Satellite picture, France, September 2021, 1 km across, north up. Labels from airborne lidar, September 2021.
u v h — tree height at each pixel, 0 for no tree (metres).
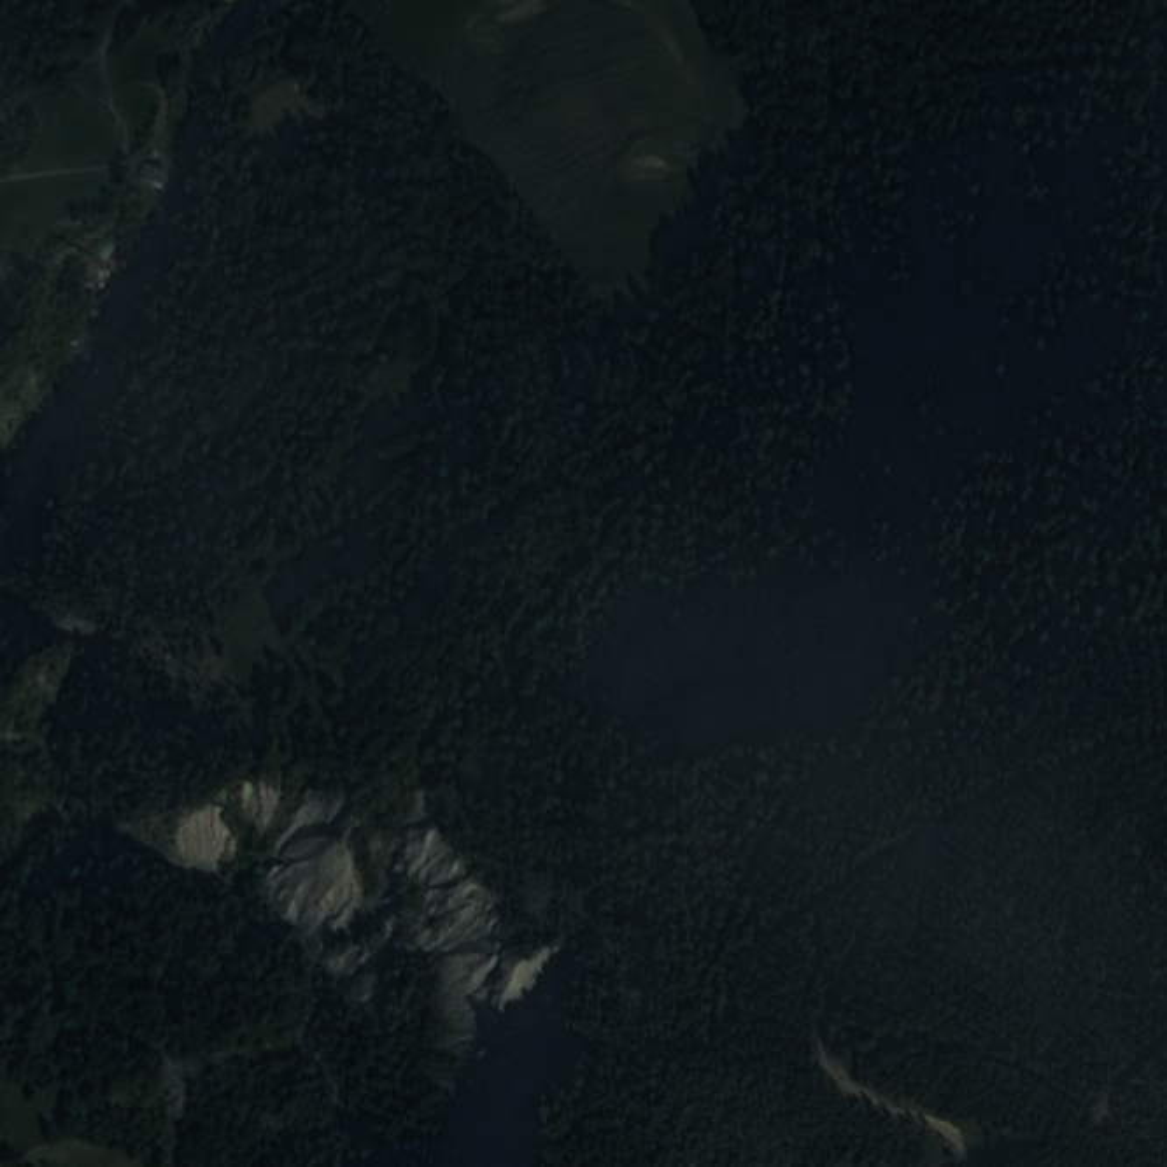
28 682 10
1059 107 22
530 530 17
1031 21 26
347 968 0
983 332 23
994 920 19
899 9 26
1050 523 18
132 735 32
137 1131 15
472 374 22
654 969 18
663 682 0
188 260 22
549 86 0
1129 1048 20
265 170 28
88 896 18
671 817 13
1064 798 17
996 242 10
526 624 12
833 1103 18
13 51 34
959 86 25
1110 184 19
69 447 14
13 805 14
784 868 18
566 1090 14
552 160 0
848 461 10
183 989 17
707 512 16
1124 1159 17
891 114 19
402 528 22
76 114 0
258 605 0
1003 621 6
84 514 18
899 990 16
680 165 0
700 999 14
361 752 17
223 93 18
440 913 0
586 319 21
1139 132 6
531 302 28
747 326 23
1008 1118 15
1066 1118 14
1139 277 25
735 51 24
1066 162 20
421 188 29
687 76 0
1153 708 13
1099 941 18
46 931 25
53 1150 12
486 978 0
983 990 19
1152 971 19
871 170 30
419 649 26
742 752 13
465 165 12
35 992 16
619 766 29
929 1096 16
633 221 0
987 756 16
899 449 13
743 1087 18
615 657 0
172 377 12
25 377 9
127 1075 17
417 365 14
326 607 24
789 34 33
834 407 23
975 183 7
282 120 0
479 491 25
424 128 17
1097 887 20
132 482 26
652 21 0
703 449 19
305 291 27
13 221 0
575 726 22
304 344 25
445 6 0
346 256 18
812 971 11
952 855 15
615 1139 20
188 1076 0
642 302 0
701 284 25
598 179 0
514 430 20
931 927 22
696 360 12
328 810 0
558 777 15
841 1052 12
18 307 22
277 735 20
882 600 11
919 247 10
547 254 17
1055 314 31
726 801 15
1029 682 11
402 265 23
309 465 15
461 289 11
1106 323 10
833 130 23
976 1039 18
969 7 26
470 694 18
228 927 13
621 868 10
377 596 16
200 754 25
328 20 26
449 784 11
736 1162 15
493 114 0
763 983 22
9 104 27
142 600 14
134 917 17
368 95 22
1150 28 16
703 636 14
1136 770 19
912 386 10
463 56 0
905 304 18
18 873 8
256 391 27
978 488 22
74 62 23
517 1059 0
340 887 0
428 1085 9
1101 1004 19
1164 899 10
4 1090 0
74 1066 25
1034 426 21
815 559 14
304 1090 25
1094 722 18
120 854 18
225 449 25
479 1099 0
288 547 25
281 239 30
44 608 10
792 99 25
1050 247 25
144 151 17
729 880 10
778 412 16
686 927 9
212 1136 14
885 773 16
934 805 14
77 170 0
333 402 12
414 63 0
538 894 0
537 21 0
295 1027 17
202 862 0
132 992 23
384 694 24
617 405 11
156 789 7
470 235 19
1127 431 26
